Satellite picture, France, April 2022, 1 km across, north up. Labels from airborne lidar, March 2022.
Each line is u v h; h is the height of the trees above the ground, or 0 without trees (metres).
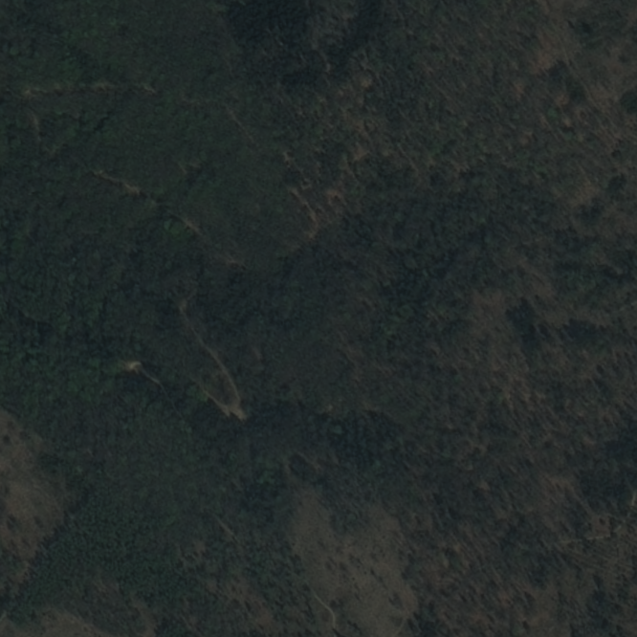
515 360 26
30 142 25
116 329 24
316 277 27
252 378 20
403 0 27
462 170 28
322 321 26
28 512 0
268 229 26
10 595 25
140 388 22
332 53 18
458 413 30
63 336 26
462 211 18
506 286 17
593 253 25
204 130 23
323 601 0
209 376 19
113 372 26
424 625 21
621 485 27
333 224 26
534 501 32
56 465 9
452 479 14
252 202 25
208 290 23
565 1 0
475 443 22
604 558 0
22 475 0
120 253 22
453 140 25
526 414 18
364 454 31
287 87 26
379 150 27
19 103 19
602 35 0
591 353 22
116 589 26
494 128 26
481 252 16
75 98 29
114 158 27
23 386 28
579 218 17
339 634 0
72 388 29
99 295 24
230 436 26
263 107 27
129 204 29
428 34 30
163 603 28
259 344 25
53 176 26
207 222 28
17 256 27
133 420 25
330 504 24
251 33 27
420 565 28
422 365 20
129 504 25
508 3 21
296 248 29
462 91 30
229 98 25
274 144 26
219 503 32
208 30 24
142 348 19
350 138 28
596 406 27
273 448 28
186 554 22
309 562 0
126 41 24
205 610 25
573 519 20
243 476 9
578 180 23
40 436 24
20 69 32
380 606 0
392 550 0
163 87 25
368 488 23
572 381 14
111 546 26
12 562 25
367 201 14
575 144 32
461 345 16
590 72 0
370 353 25
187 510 27
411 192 27
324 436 28
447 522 32
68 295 21
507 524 11
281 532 26
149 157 29
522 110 30
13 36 25
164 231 23
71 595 24
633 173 19
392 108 26
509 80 28
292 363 30
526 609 21
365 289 31
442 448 16
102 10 23
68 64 24
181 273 29
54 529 0
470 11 31
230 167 27
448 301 25
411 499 22
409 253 12
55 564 27
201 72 24
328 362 32
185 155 27
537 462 20
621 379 30
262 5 24
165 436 28
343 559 0
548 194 27
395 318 22
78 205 29
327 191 32
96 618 25
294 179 25
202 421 23
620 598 7
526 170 28
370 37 17
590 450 18
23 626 27
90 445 23
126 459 25
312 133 23
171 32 26
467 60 28
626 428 24
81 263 23
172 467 24
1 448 0
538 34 30
